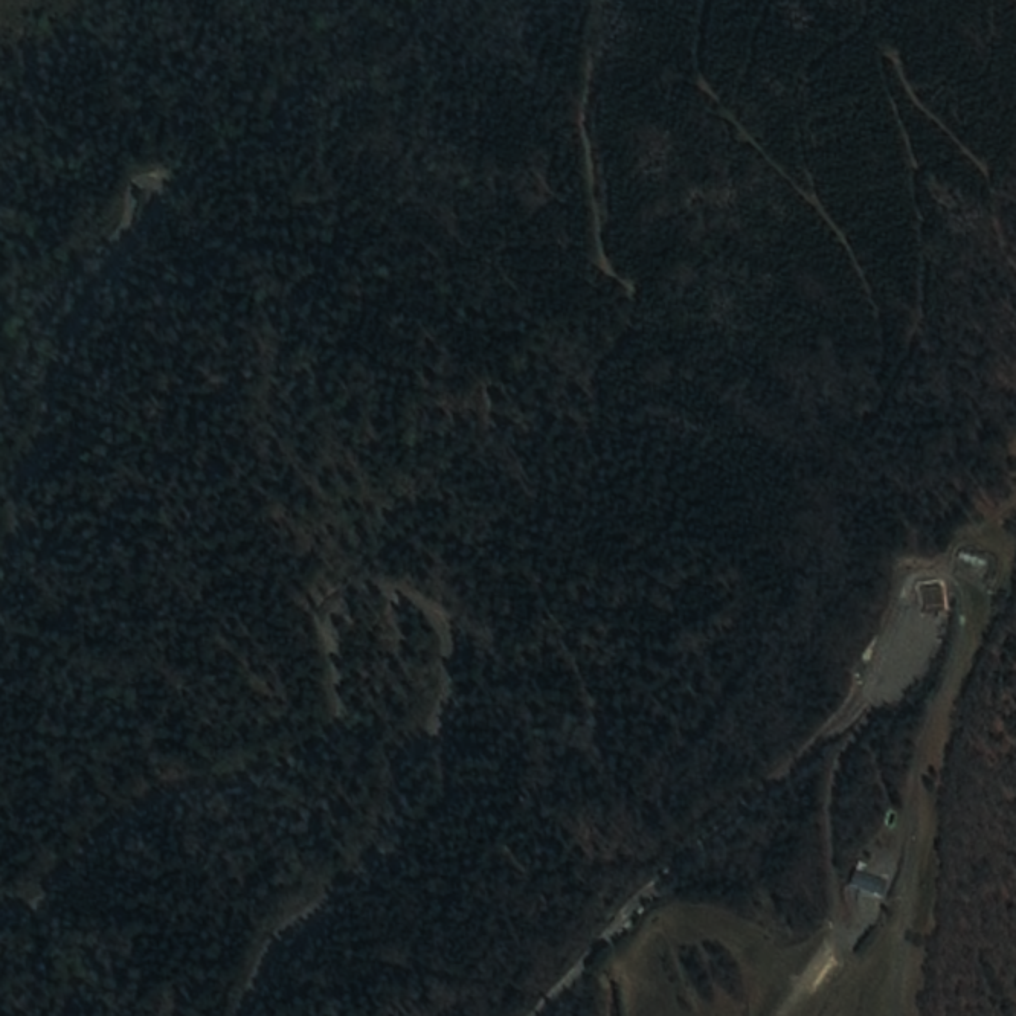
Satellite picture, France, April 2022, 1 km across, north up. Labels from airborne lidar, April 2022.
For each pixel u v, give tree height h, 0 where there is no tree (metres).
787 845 18
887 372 21
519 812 11
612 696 13
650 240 25
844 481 19
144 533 24
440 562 23
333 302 27
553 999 0
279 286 32
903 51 14
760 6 22
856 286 22
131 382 21
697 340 20
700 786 22
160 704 19
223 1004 16
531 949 20
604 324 26
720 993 11
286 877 25
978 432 17
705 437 20
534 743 34
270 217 18
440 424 25
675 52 15
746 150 18
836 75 22
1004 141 19
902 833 0
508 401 23
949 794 16
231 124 32
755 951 0
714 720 14
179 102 25
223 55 27
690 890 23
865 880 0
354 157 24
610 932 0
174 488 31
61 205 21
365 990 10
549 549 27
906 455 18
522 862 7
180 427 31
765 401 20
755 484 18
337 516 24
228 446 10
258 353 11
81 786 16
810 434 17
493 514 23
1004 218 15
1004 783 31
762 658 20
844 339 17
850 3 16
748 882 17
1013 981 30
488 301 24
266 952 0
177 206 15
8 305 13
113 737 29
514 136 23
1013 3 15
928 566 0
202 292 15
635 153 22
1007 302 23
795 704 21
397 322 23
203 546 26
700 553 21
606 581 6
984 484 20
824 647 22
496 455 23
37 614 30
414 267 36
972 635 0
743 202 19
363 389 32
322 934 12
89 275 18
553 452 21
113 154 20
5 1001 24
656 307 21
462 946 22
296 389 29
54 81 27
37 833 34
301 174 27
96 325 16
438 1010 15
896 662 0
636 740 27
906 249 21
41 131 36
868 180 21
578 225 25
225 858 27
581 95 19
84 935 22
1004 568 0
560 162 24
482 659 22
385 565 18
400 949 20
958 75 21
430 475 26
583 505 14
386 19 26
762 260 19
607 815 18
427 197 24
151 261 20
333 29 26
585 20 16
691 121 23
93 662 31
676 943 0
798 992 0
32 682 28
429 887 20
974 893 26
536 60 20
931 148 18
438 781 23
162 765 28
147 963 22
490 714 24
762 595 20
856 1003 0
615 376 22
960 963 23
